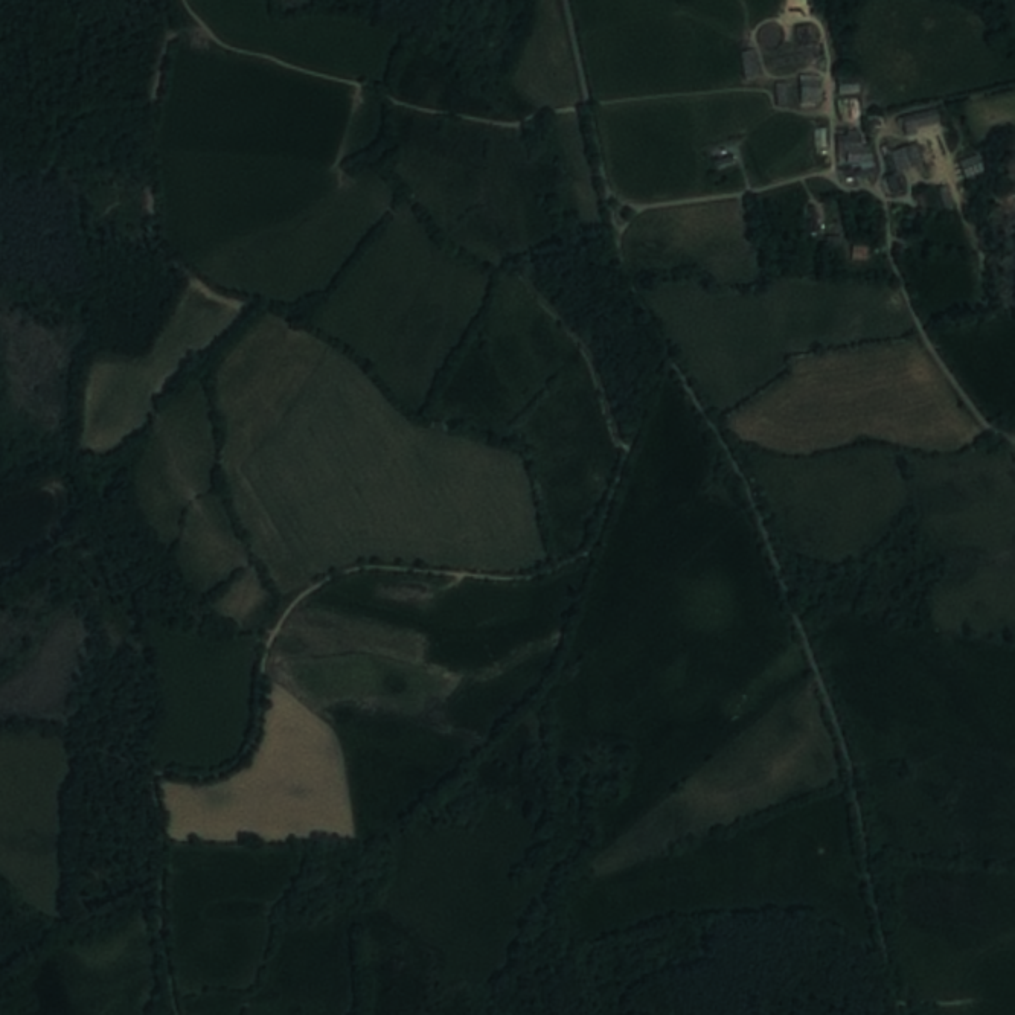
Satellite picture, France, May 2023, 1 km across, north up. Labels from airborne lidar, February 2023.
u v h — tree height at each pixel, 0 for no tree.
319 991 0
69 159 14
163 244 13
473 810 8
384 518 0
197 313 0
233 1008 0
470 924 0
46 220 18
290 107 0
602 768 0
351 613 0
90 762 16
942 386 0
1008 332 0
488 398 0
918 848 0
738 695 0
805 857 0
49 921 10
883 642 0
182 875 0
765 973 27
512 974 13
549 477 0
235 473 0
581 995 8
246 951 0
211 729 0
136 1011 0
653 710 0
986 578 0
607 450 0
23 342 0
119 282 10
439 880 0
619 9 0
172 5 8
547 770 16
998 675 0
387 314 0
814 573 10
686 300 0
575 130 0
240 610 0
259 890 0
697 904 0
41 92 6
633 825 0
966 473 0
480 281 0
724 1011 26
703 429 9
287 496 0
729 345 0
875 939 11
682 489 0
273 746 0
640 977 9
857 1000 23
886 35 0
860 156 0
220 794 0
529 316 0
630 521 0
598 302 17
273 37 0
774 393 0
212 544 0
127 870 20
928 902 0
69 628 0
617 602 0
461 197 0
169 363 0
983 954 0
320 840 19
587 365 0
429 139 0
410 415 12
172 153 0
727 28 0
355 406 0
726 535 0
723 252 0
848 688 0
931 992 0
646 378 17
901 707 0
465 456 0
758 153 0
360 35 0
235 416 0
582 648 0
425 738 0
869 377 0
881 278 9
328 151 0
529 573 7
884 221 6
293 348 0
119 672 20
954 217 6
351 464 0
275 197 0
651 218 0
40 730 13
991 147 15
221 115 0
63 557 12
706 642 0
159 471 0
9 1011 7
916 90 0
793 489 0
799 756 0
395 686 0
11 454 7
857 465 0
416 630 0
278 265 0
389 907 0
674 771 0
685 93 0
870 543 0
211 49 0
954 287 0
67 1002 0
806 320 0
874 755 0
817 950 21
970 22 0
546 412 0
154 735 18
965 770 0
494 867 0
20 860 0
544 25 0
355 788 0
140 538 16
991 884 0
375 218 0
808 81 0
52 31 14
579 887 18
